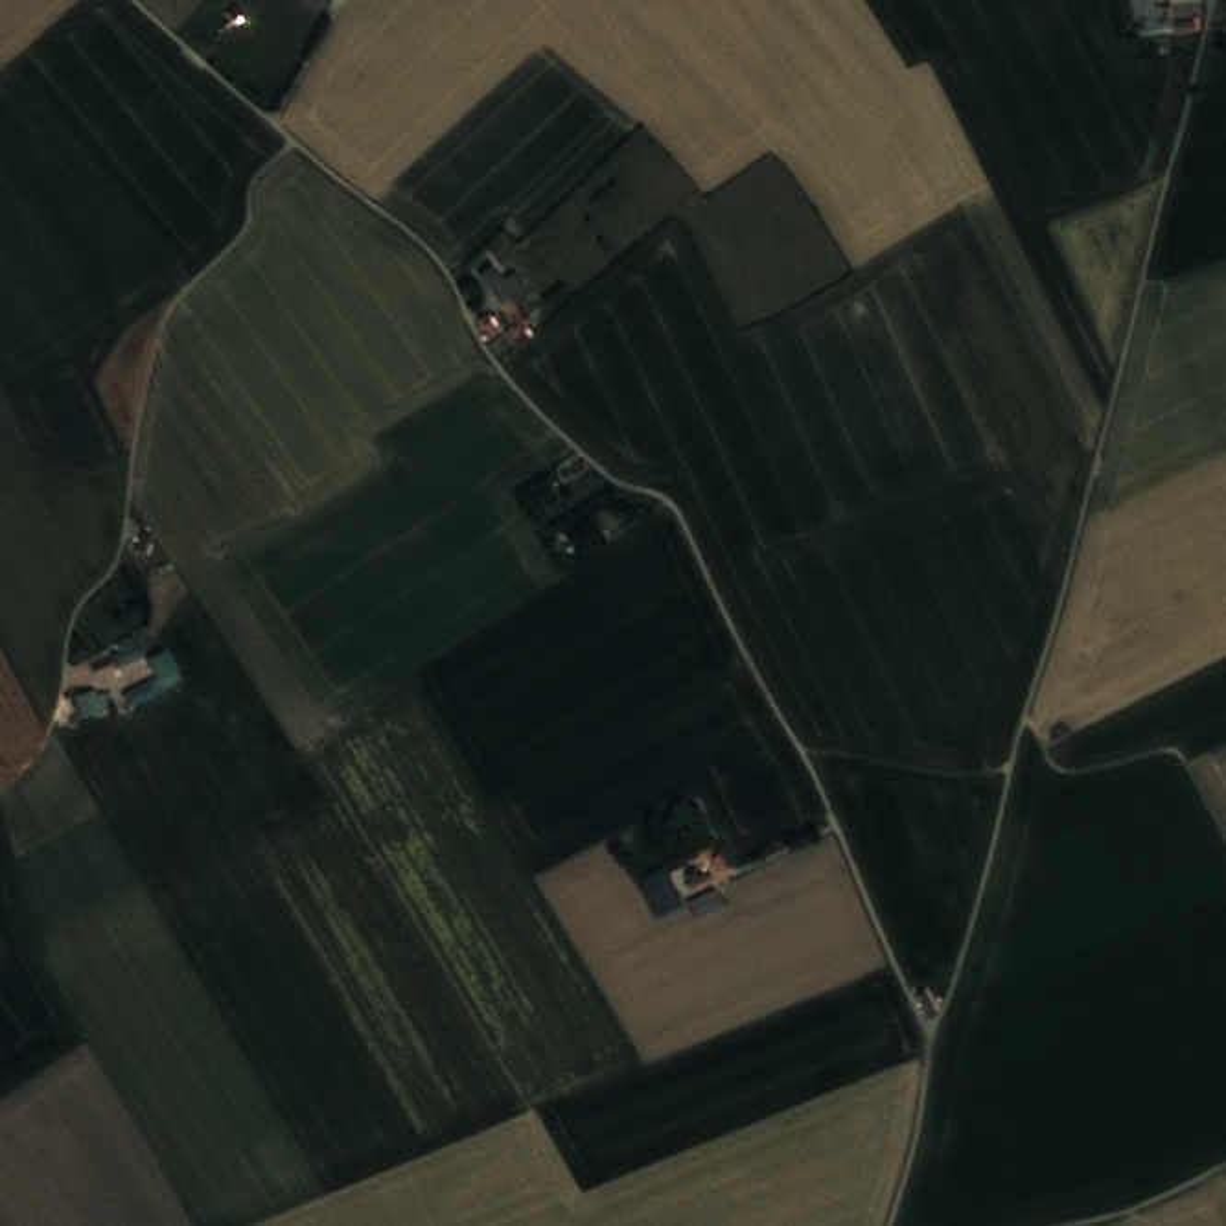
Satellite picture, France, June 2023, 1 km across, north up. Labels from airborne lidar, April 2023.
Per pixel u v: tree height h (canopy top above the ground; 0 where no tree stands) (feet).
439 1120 0
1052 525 0
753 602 0
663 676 0
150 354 0
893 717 0
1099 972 0
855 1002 0
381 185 0
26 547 0
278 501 0
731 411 0
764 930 0
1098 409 0
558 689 0
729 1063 0
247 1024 0
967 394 0
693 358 0
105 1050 0
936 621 0
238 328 0
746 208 0
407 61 0
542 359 0
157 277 0
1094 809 0
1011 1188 0
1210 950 0
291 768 0
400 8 0
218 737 0
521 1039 0
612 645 0
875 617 0
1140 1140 0
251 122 0
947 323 0
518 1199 0
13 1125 0
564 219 0
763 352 0
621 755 0
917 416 0
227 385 0
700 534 0
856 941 0
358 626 0
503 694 0
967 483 0
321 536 0
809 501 0
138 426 0
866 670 0
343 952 0
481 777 0
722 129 0
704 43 0
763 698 0
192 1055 0
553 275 0
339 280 0
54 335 0
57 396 0
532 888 0
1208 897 0
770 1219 0
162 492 0
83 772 0
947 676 0
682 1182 0
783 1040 0
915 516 0
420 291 0
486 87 0
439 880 0
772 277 0
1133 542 0
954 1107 0
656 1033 0
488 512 0
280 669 0
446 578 0
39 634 0
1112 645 0
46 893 0
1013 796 0
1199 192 0
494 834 0
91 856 0
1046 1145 0
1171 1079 0
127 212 0
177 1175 0
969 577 0
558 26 0
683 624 0
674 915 0
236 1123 0
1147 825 0
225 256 0
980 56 0
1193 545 0
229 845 0
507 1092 0
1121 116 0
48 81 0
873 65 0
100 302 0
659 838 43
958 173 0
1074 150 0
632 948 0
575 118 0
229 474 0
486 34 0
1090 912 0
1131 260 0
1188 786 0
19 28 0
